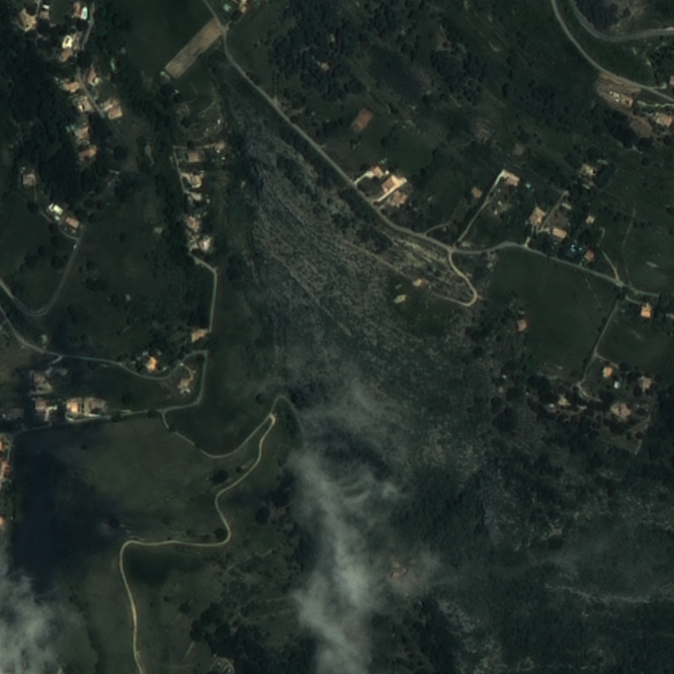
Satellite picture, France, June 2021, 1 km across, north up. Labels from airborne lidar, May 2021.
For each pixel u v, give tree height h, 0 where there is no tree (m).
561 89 0
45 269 0
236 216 0
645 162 10
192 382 0
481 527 8
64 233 0
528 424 0
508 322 9
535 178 0
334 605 9
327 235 0
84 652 0
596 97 0
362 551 7
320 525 12
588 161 9
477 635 8
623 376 9
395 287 0
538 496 7
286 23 0
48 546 0
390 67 9
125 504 0
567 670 12
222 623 12
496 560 7
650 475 8
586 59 6
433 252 0
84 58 17
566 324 0
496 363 0
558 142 0
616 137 12
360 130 0
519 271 0
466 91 9
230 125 5
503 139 0
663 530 5
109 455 0
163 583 0
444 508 9
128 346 0
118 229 0
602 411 10
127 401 11
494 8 7
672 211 11
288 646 7
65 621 0
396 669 11
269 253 0
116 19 15
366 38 8
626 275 0
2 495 6
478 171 0
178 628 0
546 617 6
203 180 6
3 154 0
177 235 14
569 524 5
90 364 8
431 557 11
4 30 9
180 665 0
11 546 0
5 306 7
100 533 0
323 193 0
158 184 10
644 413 10
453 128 7
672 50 15
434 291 0
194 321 15
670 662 15
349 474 13
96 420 0
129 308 9
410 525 7
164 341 9
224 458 0
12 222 0
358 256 0
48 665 12
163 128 7
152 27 0
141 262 0
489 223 0
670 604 7
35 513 0
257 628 7
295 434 8
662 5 9
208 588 0
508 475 9
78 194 12
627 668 10
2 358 0
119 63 10
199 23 0
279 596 0
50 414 0
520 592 7
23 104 17
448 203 0
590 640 6
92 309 0
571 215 8
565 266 0
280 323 7
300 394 10
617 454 12
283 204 6
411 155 0
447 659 15
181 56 0
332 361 7
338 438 16
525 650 7
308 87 8
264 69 0
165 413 0
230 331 0
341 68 12
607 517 6
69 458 0
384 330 0
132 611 0
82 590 0
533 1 0
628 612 10
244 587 7
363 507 9
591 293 0
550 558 7
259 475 0
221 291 0
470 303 0
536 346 0
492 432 7
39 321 0
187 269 12
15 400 0
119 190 14
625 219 7
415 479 7
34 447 0
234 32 0
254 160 8
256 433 0
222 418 0
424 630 17
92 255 0
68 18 10
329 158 0
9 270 0
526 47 11
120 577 0
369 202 0
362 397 0
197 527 0
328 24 7
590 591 6
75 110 13
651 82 0
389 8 14
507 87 14
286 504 13
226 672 0
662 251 0
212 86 0
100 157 13
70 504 0
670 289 0
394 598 13
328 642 17
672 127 9
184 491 0
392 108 7
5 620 0
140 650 0
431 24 0
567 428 8
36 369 8
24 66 14
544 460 10
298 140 10
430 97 10
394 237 0
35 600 0
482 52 0
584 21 0
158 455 0
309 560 13
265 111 0
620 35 0
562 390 8
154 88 0
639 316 6
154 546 0
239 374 0
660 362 0
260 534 0
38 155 12
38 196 0
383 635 0
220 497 0
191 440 0
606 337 0
